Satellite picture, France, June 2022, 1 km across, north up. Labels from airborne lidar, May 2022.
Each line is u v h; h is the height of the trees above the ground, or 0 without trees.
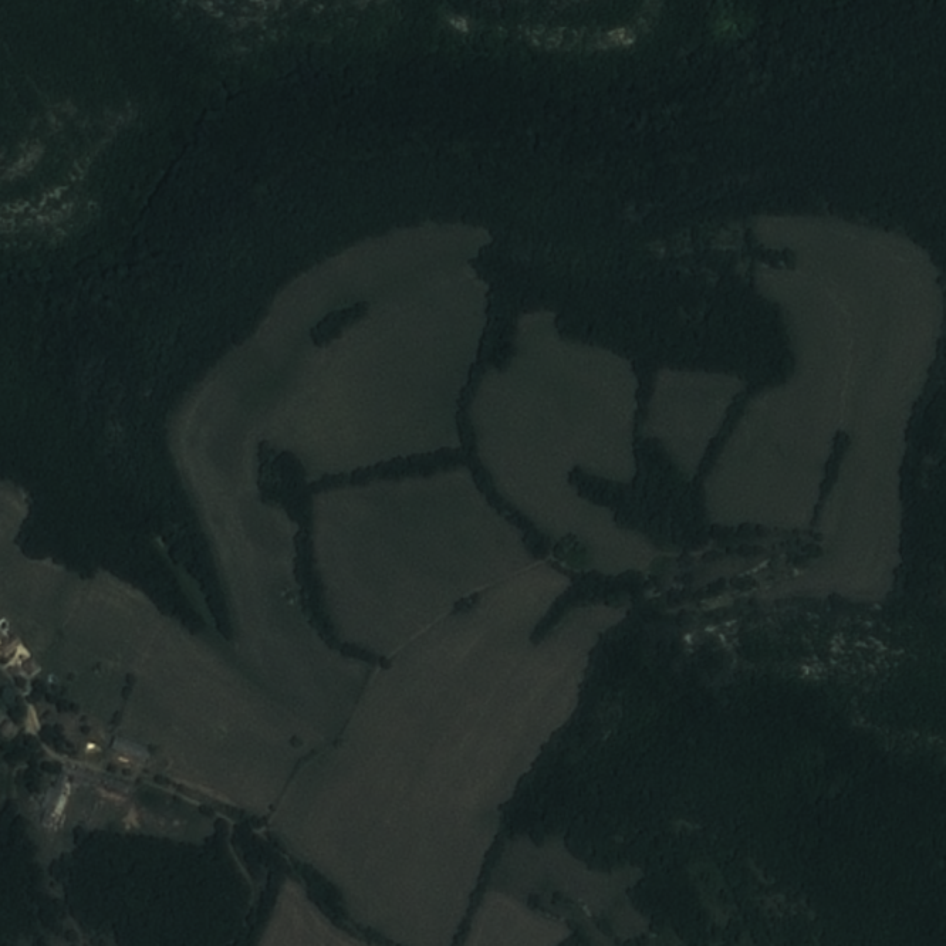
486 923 0
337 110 22
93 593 0
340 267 0
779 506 0
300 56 19
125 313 18
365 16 6
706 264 7
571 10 8
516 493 0
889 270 0
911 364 0
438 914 0
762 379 12
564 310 11
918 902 16
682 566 6
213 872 18
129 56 12
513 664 0
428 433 0
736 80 22
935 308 0
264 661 0
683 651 7
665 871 6
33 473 13
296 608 0
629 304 11
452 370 0
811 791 16
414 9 16
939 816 16
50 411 8
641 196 8
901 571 7
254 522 0
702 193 9
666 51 16
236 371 0
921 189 10
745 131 14
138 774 0
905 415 0
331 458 0
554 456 0
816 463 0
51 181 7
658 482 9
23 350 9
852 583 0
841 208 11
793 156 9
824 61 19
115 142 8
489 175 15
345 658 5
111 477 13
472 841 0
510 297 12
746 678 10
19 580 0
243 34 8
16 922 11
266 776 0
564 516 0
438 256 0
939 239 9
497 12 9
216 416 0
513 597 0
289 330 0
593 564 0
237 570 0
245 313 11
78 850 9
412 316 0
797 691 12
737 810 11
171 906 14
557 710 0
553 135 15
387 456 0
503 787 0
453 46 13
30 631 0
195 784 0
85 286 26
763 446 0
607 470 0
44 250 9
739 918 7
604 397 0
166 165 10
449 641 0
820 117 15
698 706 16
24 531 9
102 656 0
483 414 0
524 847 0
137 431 8
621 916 0
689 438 0
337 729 0
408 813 0
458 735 0
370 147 17
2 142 8
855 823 15
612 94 21
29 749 11
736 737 14
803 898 8
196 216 17
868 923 11
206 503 0
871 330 0
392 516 0
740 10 21
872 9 18
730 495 0
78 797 0
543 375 0
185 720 0
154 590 12
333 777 0
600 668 9
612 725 6
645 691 14
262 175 16
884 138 15
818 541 6
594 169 18
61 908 10
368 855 0
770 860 12
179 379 10
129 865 13
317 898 8
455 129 14
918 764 11
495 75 21
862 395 0
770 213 9
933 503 12
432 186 11
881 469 0
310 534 7
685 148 18
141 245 25
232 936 13
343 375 0
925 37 13
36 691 10
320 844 0
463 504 0
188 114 17
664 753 17
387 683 0
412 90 22
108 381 6
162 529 12
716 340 12
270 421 0
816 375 0
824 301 0
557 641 0
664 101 19
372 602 0
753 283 7
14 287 23
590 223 10
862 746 17
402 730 0
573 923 7
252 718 0
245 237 8
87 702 0
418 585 0
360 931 7
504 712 0
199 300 10
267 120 18
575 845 14
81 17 10
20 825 12
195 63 18
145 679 0
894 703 9
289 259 11
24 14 9
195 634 12
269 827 7
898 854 14
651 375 13
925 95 18
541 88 23
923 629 7
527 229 9
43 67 8
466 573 0
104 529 13
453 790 0
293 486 10
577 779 15
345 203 9
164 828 0
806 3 12
